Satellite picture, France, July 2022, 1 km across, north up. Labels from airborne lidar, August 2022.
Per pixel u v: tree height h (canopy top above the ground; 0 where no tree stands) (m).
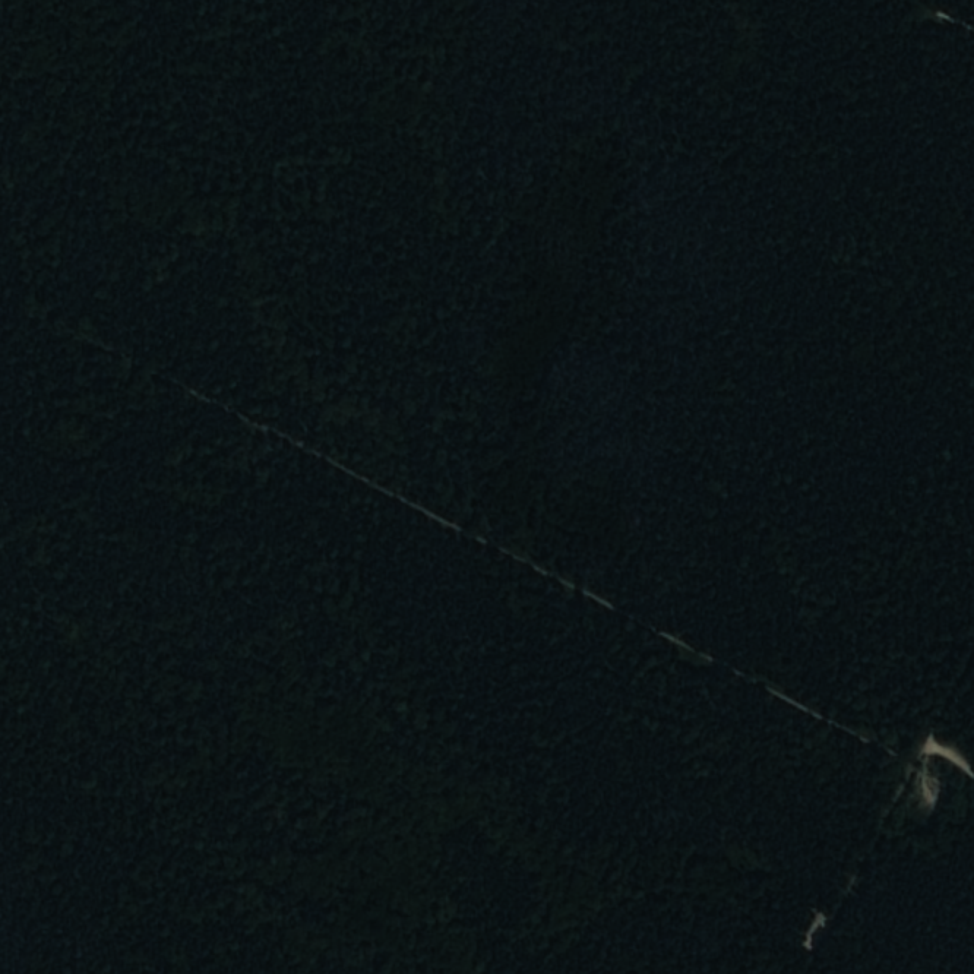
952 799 18
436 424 21
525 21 18
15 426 8
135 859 17
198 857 13
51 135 22
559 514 14
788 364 16
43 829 18
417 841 17
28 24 18
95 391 18
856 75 19
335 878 20
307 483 19
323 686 20
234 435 13
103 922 17
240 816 17
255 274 20
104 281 18
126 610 22
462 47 16
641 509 22
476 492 15
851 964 25
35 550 20
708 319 25
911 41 14
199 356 16
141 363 18
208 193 23
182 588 19
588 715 20
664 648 22
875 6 18
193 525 18
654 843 20
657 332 30
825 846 19
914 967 23
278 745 18
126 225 15
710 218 20
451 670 8
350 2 14
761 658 17
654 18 20
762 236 27
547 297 7
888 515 19
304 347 23
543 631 20
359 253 21
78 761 15
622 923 14
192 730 20
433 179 17
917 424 20
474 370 23
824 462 19
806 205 21
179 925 13
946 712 17
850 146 19
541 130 22
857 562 21
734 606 19
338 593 19
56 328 19
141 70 14
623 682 18
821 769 19
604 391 28
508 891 17
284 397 14
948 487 16
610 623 17
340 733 22
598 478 19
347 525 20
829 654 21
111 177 22
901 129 18
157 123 10
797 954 21
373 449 18
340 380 16
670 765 14
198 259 20
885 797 15
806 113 14
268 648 14
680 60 17
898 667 6
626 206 18
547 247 10
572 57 22
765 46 11
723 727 21
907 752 28
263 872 17
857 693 25
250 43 15
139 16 8
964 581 19
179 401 17
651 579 14
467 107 18
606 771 18
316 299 11
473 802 17
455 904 18
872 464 20
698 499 17
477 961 20
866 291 16
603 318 24
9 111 16
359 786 18
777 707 16
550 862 19
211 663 23
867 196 17
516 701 18
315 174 17
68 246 17
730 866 14
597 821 19
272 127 13
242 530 16
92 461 17
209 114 19
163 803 9
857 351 18
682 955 20
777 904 20
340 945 21
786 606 13
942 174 19
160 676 16
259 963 16
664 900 23
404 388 23
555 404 16
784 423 17
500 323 15
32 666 17
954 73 19
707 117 16
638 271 17
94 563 16
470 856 18
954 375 14
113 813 22
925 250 18
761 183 21
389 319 21
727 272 23
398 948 20
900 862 21
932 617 18
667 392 21
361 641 15
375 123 16
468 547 20
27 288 20
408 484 15
